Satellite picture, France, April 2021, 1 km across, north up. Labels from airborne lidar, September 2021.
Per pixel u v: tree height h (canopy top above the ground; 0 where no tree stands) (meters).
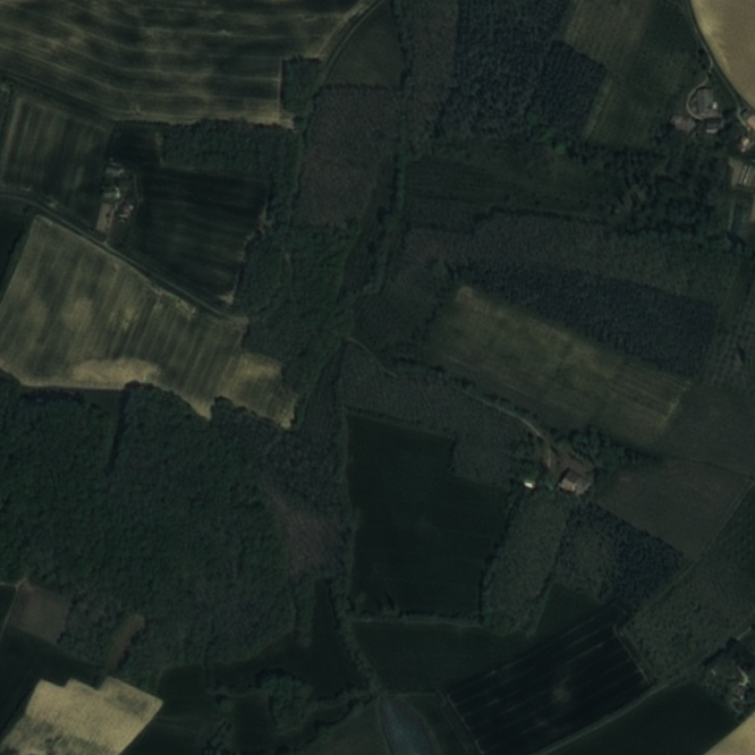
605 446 18
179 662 22
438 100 12
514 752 0
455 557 0
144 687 17
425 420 12
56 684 0
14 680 0
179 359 0
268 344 16
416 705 0
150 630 15
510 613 18
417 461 0
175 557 26
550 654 0
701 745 0
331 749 0
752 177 0
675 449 0
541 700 0
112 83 0
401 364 16
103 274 0
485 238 18
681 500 0
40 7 0
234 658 18
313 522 25
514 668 0
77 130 0
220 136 21
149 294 0
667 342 11
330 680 0
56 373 0
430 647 0
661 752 0
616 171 16
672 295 12
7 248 0
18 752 0
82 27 0
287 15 0
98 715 0
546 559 16
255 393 0
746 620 9
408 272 13
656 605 9
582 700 0
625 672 0
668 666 8
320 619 0
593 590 9
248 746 0
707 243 21
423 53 20
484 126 11
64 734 0
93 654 19
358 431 0
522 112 9
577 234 18
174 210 0
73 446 29
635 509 0
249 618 22
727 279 17
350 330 18
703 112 0
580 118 13
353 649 13
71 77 0
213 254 0
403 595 0
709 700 0
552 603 0
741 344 9
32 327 0
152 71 0
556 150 11
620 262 14
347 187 22
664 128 9
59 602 0
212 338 0
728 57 0
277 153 20
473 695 0
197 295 0
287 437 18
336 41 0
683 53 6
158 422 20
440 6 18
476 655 0
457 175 9
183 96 0
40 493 30
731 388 6
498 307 0
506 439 13
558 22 8
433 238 20
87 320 0
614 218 13
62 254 0
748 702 16
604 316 12
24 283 0
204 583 15
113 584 24
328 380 12
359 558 0
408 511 0
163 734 0
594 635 0
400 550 0
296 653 0
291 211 16
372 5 0
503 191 9
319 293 21
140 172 0
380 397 14
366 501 0
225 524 23
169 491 23
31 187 0
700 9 0
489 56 12
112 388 0
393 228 21
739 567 10
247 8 0
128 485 20
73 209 0
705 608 8
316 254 19
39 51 0
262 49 0
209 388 0
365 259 12
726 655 13
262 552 23
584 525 10
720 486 0
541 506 16
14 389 17
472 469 16
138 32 0
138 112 0
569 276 12
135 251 0
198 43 0
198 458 23
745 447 0
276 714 17
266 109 0
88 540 25
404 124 16
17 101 0
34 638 0
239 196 0
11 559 20
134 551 22
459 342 0
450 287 8
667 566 12
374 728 0
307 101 17
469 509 0
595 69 10
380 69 0
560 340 0
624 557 11
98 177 0
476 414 14
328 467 25
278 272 20
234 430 17
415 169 11
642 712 0
